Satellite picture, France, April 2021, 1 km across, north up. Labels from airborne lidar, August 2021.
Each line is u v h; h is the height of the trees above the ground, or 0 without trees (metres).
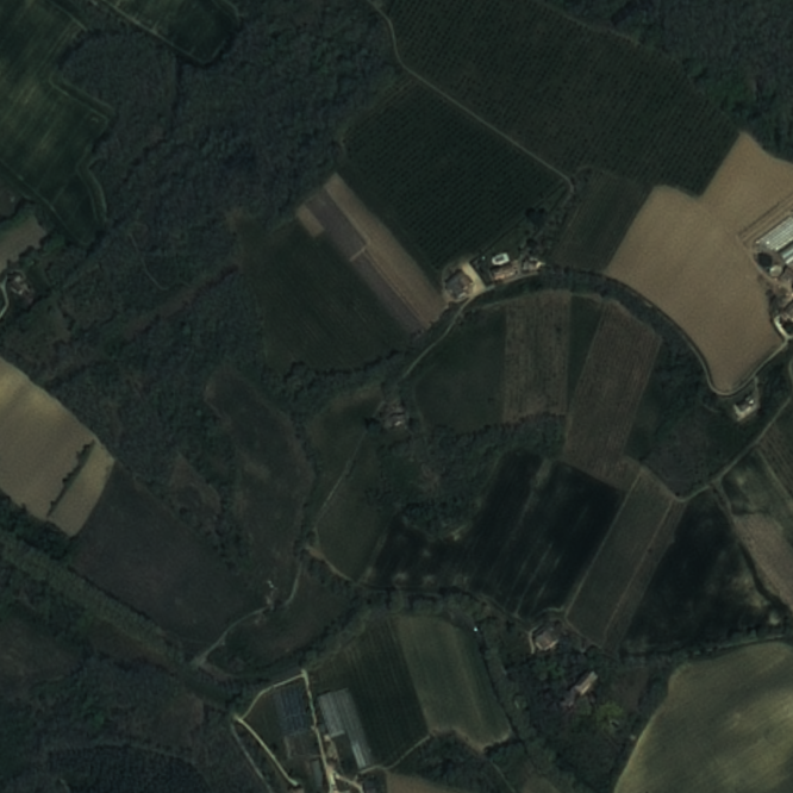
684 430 0
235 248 17
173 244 12
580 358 0
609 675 15
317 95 14
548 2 14
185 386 11
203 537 16
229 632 0
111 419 15
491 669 22
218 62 8
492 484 0
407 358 9
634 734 6
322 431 0
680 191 0
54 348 7
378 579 0
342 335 0
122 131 11
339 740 0
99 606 26
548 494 0
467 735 0
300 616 0
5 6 0
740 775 0
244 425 0
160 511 0
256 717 0
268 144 21
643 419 0
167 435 8
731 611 0
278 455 0
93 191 0
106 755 12
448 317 14
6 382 0
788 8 13
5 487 0
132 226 17
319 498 0
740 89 24
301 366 9
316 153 25
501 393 0
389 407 8
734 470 0
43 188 0
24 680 0
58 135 0
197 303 14
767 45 16
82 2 16
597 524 0
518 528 0
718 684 0
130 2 0
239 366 7
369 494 13
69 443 0
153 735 0
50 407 0
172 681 20
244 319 16
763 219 0
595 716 7
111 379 10
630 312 17
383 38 18
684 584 0
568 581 0
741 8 13
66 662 0
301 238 0
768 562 0
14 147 0
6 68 0
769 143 19
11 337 11
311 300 0
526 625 0
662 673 11
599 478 0
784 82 18
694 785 0
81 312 7
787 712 0
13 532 10
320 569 15
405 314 0
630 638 0
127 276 6
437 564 0
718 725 0
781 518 0
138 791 12
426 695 0
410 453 14
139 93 14
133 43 22
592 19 14
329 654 19
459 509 8
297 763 0
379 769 0
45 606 23
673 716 0
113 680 19
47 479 0
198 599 0
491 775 17
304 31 8
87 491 0
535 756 29
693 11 20
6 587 12
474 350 0
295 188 18
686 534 0
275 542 0
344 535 0
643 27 22
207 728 12
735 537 0
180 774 13
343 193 0
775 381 10
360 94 20
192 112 15
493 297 8
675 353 15
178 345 7
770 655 0
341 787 0
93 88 14
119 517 0
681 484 0
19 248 0
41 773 14
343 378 16
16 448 0
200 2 0
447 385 0
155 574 0
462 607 25
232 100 20
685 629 0
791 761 0
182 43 0
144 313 10
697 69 19
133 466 19
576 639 13
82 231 0
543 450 17
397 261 0
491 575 0
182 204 15
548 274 13
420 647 0
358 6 6
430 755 14
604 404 0
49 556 13
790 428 0
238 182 17
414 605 20
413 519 20
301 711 0
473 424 0
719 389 0
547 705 11
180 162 11
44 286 0
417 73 0
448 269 0
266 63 18
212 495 0
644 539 0
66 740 16
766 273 0
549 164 0
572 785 30
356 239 0
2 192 0
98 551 0
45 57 0
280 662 7
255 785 18
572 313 0
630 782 0
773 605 0
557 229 9
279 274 0
